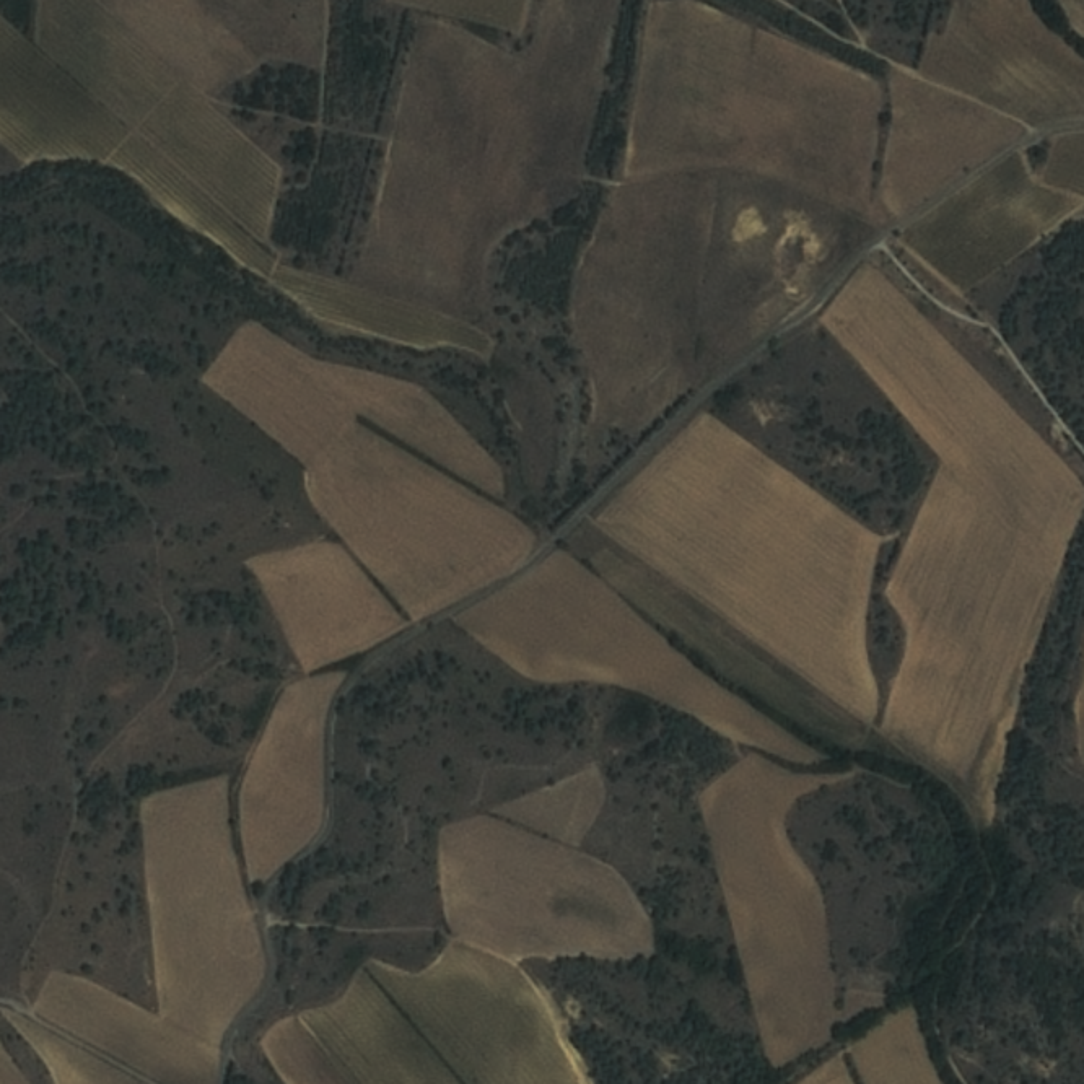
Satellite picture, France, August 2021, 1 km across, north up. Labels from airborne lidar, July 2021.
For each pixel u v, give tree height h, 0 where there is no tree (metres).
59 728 0
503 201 0
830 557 0
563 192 0
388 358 6
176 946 0
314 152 7
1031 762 13
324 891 0
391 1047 0
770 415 0
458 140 0
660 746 9
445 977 0
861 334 0
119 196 14
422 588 0
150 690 0
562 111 0
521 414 0
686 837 0
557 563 0
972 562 0
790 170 0
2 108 0
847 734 0
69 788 0
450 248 0
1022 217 0
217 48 0
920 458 9
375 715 6
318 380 0
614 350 0
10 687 0
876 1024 16
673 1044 10
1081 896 0
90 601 11
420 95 0
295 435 0
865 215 0
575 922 0
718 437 0
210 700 8
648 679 0
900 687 0
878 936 0
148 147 0
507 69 0
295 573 0
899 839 6
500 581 0
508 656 0
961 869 6
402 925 0
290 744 0
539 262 6
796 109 0
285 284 0
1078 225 7
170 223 8
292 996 9
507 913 0
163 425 0
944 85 0
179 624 0
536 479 0
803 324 0
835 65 0
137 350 9
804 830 0
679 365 0
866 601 0
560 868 0
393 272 0
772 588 0
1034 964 6
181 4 0
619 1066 10
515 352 0
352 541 0
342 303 0
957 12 0
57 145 0
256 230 0
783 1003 0
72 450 12
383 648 0
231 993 0
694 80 0
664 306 0
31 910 0
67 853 0
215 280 9
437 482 0
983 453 0
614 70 7
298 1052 0
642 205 0
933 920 11
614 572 0
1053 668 9
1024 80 0
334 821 0
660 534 0
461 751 0
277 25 0
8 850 0
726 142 0
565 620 0
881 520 0
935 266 0
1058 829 9
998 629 0
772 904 0
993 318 0
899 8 9
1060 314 13
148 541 0
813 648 0
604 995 6
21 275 9
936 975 8
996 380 0
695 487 0
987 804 0
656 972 11
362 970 0
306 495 0
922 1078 0
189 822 0
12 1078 0
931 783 10
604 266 0
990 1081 8
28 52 0
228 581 0
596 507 0
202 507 0
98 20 0
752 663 0
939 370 0
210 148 0
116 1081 0
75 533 13
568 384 0
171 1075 0
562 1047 0
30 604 11
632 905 0
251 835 0
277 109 5
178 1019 0
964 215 0
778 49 0
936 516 0
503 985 0
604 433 0
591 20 0
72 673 0
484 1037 0
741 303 0
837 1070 0
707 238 0
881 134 0
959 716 0
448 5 0
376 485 0
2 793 0
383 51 6
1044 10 9
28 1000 0
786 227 0
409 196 0
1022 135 0
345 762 0
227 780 0
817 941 0
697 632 0
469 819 0
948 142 0
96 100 0
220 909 0
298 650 0
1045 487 0
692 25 0
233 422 0
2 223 12
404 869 0
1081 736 0
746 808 0
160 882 0
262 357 0
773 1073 9
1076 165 0
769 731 0
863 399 0
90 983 0
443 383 5
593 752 0
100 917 7
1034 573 0
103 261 10
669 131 0
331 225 6
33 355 12
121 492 12
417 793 0
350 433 0
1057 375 8
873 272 0
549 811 0
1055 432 0
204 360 11
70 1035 0
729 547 0
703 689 0
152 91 0
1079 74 0
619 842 0
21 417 14
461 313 0
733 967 7
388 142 0
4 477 0
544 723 8
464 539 0
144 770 12
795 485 0
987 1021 5
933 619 0
